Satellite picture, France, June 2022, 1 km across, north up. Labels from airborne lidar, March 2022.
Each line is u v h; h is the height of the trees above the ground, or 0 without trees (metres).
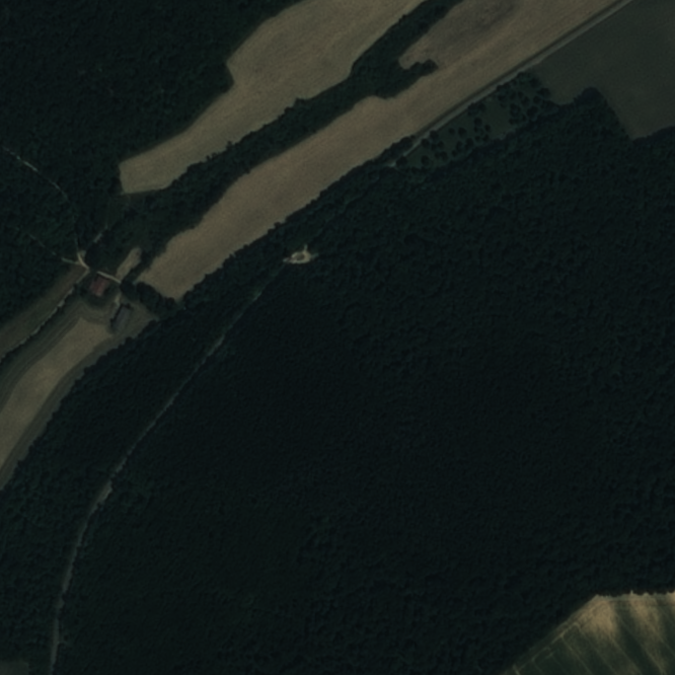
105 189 12
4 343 0
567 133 16
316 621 21
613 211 17
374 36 0
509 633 20
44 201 22
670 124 0
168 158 0
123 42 14
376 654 16
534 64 0
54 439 10
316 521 17
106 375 13
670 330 21
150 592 6
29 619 14
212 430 11
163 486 18
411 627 22
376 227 13
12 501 14
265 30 0
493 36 0
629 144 17
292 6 0
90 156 16
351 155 0
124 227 6
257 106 0
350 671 21
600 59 0
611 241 17
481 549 16
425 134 0
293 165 0
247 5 17
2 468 0
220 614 7
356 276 19
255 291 13
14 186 18
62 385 0
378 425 17
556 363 15
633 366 20
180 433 13
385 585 23
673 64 0
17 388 0
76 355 0
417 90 0
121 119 14
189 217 7
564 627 0
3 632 20
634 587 17
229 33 21
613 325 20
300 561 21
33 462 12
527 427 0
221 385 13
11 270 20
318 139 0
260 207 0
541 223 20
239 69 0
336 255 19
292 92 0
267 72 0
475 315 19
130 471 13
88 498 14
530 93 0
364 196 15
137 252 0
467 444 0
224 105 0
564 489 0
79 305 0
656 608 0
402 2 0
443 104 0
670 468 24
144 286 14
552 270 15
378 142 0
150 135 16
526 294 16
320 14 0
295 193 0
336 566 16
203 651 7
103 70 16
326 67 0
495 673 19
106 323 0
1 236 18
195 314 18
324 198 12
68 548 16
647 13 0
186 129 0
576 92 0
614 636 0
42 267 15
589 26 0
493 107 0
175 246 0
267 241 10
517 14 0
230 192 0
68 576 0
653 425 13
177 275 0
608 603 0
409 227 17
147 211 10
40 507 16
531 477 0
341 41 0
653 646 0
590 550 13
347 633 22
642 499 22
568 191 16
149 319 0
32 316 0
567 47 0
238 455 15
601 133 12
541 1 0
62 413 10
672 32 0
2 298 21
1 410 0
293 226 16
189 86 19
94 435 13
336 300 16
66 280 0
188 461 15
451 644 23
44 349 0
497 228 17
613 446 13
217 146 0
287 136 9
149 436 12
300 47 0
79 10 16
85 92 18
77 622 15
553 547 21
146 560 6
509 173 17
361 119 0
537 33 0
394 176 16
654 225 21
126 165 0
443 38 0
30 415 0
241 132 0
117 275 0
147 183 0
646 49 0
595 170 17
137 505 15
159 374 15
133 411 13
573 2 0
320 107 6
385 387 18
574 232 20
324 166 0
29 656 9
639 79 0
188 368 14
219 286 16
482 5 0
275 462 13
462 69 0
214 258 0
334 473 17
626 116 0
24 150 19
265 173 0
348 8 0
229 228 0
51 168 25
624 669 0
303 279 19
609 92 0
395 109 0
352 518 19
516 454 0
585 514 21
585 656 0
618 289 18
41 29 14
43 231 18
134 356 15
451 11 0
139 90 14
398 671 18
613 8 0
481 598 21
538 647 0
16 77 17
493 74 0
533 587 18
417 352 14
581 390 15
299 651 16
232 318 14
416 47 0
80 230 20
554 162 16
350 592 20
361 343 20
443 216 11
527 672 0
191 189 11
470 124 0
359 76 11
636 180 19
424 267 14
